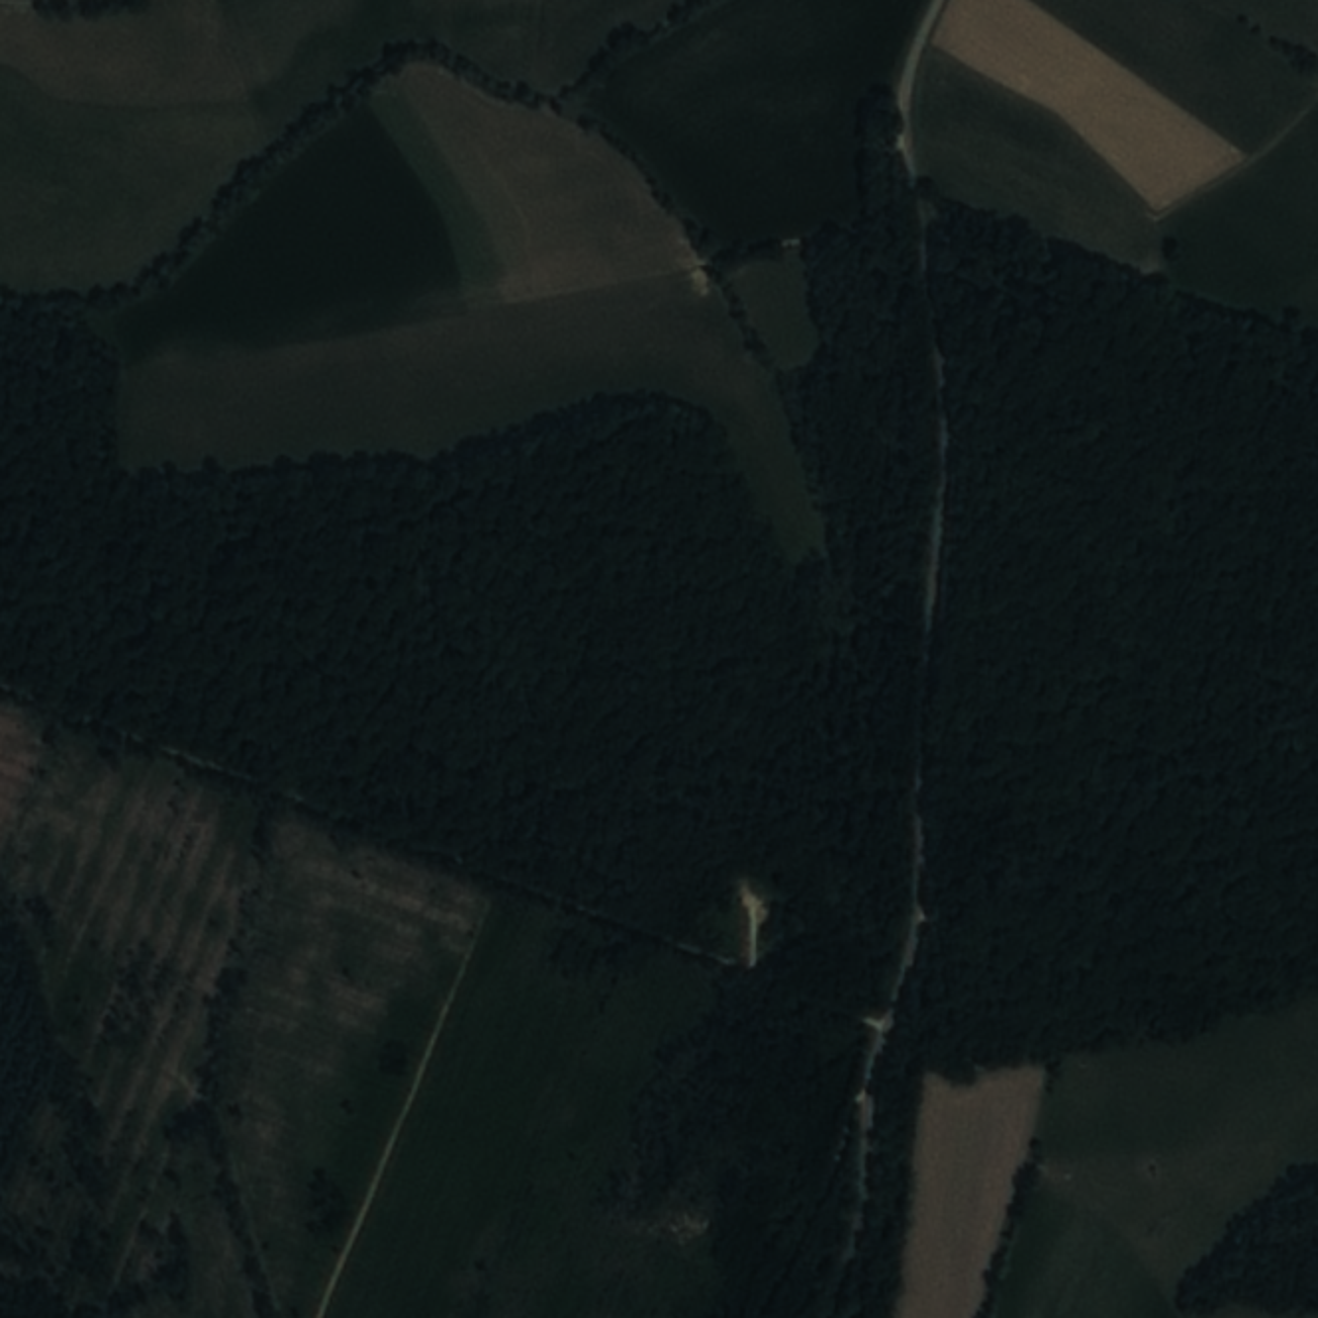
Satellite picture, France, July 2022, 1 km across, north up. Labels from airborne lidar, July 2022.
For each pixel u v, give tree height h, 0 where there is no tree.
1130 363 25
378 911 0
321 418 0
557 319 0
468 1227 0
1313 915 22
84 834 0
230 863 0
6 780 0
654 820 23
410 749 23
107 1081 0
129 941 0
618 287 0
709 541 19
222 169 0
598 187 0
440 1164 0
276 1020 0
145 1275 0
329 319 0
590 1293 0
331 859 0
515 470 22
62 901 0
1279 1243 17
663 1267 0
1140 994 16
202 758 12
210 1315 0
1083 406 22
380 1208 0
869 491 18
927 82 0
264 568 21
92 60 0
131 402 0
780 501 0
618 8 0
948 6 0
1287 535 25
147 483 20
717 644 25
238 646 20
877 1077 12
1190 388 21
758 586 17
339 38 0
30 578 21
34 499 18
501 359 0
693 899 17
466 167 0
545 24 0
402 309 0
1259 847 24
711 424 23
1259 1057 0
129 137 0
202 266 0
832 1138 13
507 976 0
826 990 23
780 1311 17
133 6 18
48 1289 16
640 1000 0
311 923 0
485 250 0
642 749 24
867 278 26
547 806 24
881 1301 19
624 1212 16
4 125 0
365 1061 0
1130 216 0
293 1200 0
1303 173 0
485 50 0
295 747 19
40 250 0
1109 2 0
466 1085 0
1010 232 11
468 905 0
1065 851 24
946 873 21
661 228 0
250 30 0
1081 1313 0
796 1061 22
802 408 10
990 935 18
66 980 0
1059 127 0
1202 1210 0
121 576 17
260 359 0
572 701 23
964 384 24
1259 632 25
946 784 24
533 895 19
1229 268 0
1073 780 20
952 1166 0
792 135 0
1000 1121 0
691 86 0
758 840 22
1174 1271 0
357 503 20
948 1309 0
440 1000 0
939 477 14
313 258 0
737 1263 7
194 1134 20
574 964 7
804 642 23
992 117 0
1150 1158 0
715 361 0
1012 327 28
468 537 21
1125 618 24
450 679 21
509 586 17
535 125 0
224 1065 19
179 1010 7
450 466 23
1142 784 25
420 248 0
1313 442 20
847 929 16
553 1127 0
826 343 15
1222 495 18
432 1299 0
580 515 16
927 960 15
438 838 18
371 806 18
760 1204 7
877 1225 19
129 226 0
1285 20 0
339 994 0
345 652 23
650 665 22
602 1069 0
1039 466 22
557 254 0
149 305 0
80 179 0
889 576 19
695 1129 20
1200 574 21
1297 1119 0
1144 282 26
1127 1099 0
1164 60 0
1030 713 21
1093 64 0
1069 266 26
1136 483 22
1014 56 0
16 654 23
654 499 21
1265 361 22
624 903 23
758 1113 6
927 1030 17
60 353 24
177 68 0
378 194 0
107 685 14
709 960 11
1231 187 0
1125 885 26
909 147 0
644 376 0
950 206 8
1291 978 22
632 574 23
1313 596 22
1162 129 0
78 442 25
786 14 0
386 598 23
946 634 21
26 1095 25
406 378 0
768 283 0
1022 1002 21
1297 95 0
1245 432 22
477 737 19
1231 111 0
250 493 18
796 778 26
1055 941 21
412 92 0
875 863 18
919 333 20
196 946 0
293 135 14
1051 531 19
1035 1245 0
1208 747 24
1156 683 27
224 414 0
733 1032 24
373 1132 0
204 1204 0
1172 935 27
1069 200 0
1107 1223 0
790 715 25
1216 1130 0
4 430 26
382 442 0
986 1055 19
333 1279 0
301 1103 0
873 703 12
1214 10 0
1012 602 22
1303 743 20
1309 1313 13
